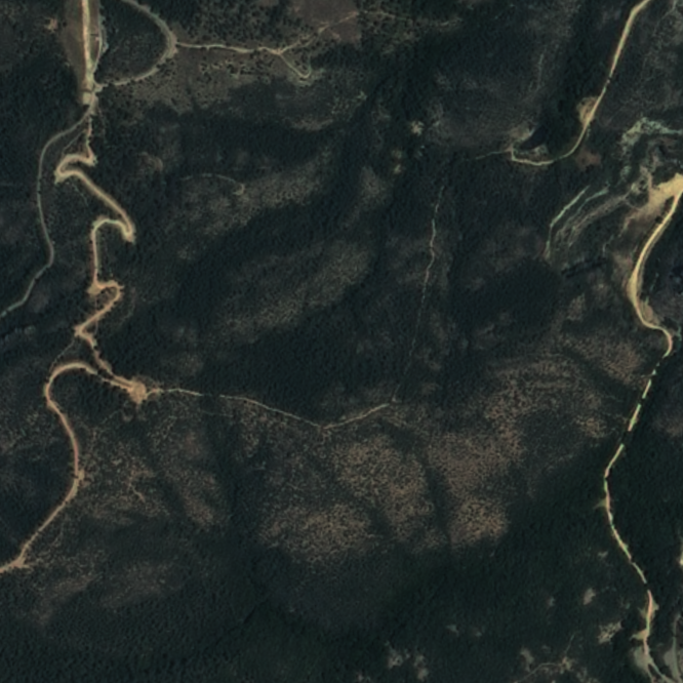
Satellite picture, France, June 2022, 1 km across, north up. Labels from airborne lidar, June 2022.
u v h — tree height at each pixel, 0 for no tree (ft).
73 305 52
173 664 19
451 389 31
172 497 32
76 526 20
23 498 28
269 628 44
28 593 31
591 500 38
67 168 0
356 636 35
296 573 26
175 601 44
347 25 0
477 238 35
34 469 24
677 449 26
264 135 43
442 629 23
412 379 27
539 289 45
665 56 20
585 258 0
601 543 20
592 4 47
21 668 48
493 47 35
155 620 50
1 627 47
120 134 42
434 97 24
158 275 24
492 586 43
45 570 27
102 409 29
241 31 27
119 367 50
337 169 23
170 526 45
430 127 27
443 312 37
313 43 0
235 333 23
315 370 29
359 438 19
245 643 31
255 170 29
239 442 22
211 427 29
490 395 22
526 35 27
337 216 22
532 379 18
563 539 24
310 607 32
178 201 37
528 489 19
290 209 53
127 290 18
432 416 33
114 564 35
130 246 51
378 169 42
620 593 27
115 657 31
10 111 39
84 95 0
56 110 41
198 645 34
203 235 24
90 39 0
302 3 0
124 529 26
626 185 20
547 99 30
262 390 26
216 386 35
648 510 30
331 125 22
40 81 22
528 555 40
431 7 45
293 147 38
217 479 35
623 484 41
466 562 19
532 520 24
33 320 27
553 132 43
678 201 0
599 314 20
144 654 25
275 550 22
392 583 41
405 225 27
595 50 21
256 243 33
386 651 44
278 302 22
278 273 31
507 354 28
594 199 21
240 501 33
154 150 28
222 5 35
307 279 33
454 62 41
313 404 30
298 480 19
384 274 34
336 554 19
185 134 31
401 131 67
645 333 21
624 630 24
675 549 30
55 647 25
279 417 24
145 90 0
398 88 55
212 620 19
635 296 0
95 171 38
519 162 29
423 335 27
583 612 20
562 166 31
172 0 36
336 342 33
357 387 31
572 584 19
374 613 32
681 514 22
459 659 25
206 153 29
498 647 19
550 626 19
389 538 19
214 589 48
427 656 24
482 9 28
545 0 25
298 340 54
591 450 24
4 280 22
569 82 47
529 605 19
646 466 29
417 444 23
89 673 24
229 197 23
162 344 35
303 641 36
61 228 28
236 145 34
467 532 0
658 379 49
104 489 23
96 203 23
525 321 35
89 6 0
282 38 37
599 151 22
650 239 0
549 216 29
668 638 37
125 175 45
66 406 25
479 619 32
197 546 29
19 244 30
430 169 36
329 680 44
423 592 47
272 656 18
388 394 21
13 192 27
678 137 31
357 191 23
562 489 27
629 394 38
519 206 36
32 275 49
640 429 28
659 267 54
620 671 45
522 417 18
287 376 42
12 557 18
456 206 26
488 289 31
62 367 0
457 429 28
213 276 52
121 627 37
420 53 56
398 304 31
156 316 39
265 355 23
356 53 20
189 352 32
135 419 34
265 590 45
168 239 37
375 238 34
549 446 21
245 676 20
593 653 19
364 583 19
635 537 32
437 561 28
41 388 22
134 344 20
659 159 0
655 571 39
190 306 40
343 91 34
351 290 21
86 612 25
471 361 32
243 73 26
